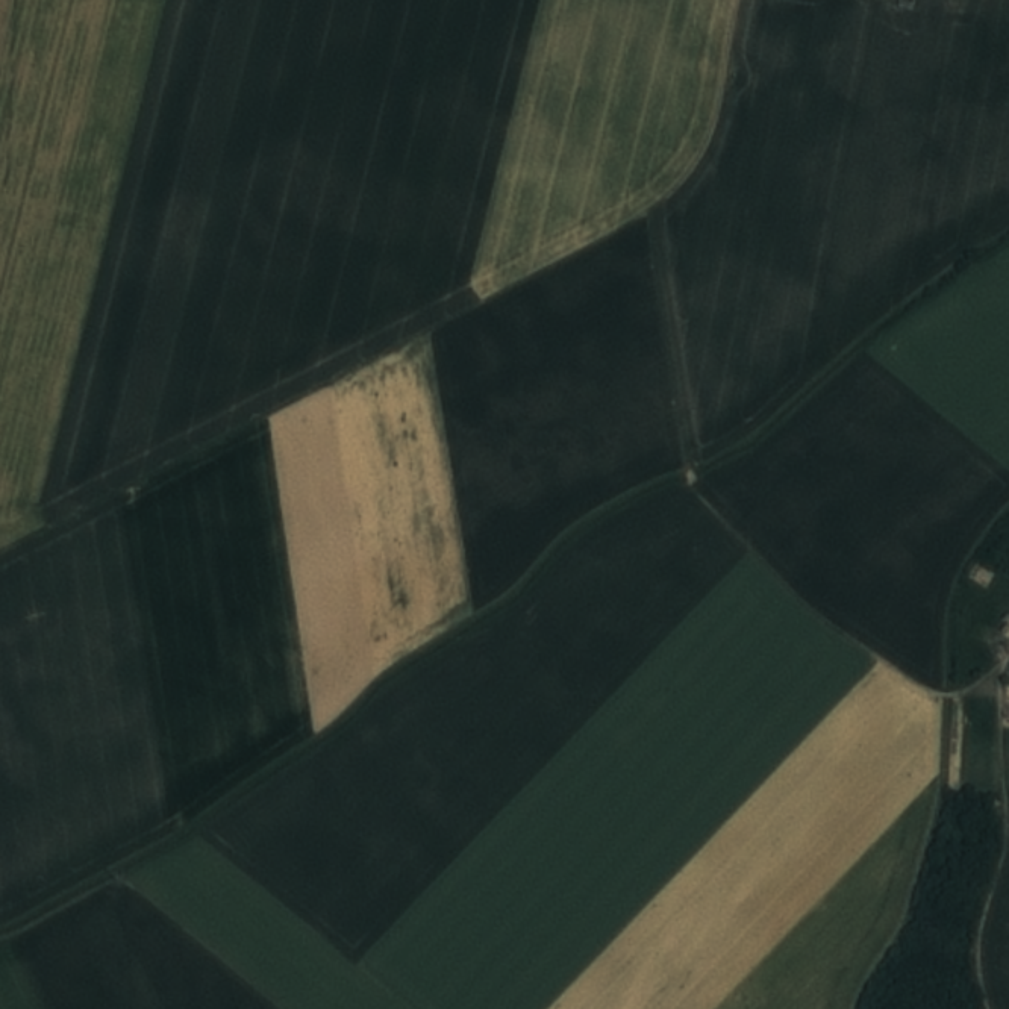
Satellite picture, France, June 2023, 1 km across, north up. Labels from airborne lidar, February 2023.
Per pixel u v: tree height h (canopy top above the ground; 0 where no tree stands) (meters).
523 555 0
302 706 0
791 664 0
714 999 0
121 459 0
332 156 0
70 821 0
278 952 0
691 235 0
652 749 0
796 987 0
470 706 0
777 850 0
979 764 0
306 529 0
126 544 0
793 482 0
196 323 0
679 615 0
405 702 0
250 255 0
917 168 0
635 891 0
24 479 0
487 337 0
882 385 0
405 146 0
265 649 0
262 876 0
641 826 0
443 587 0
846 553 0
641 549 0
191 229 0
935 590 0
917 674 0
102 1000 0
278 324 0
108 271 0
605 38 0
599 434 0
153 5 0
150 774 0
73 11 0
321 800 0
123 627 0
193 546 0
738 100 0
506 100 0
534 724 0
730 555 0
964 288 0
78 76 0
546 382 0
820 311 0
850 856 0
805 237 0
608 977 0
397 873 0
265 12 0
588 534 0
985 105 0
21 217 0
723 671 0
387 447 0
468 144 0
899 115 0
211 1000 0
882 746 0
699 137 0
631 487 0
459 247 0
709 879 0
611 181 0
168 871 0
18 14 0
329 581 0
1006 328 0
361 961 0
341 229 0
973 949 8
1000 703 0
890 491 0
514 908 0
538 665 0
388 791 0
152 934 0
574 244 0
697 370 0
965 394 0
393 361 0
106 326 0
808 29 0
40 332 0
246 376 0
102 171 0
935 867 10
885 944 0
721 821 0
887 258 0
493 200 0
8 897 0
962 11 0
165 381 0
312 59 0
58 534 0
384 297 0
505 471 0
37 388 0
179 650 0
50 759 0
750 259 0
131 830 0
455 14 0
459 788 0
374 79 0
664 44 0
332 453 0
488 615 0
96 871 0
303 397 0
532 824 0
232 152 0
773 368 0
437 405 0
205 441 0
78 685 0
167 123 0
